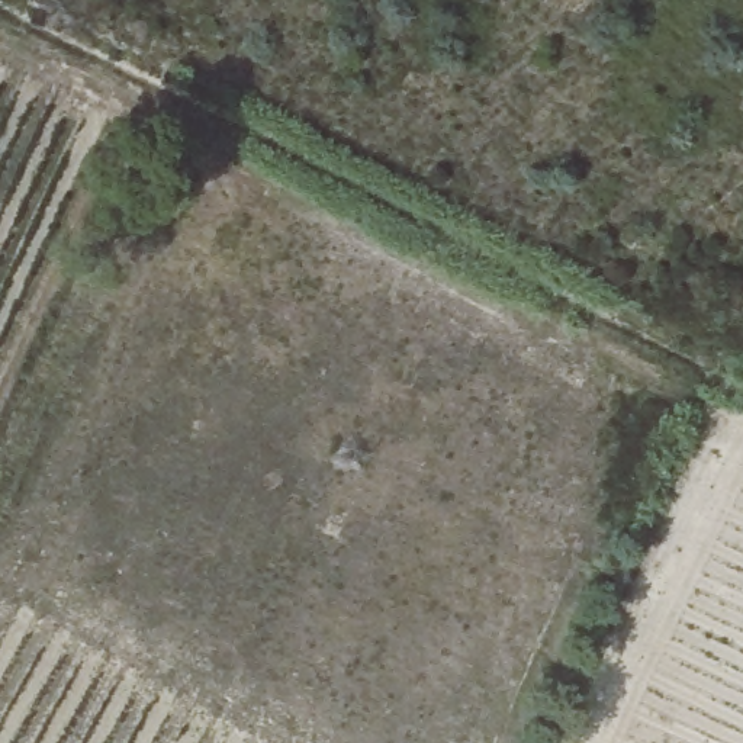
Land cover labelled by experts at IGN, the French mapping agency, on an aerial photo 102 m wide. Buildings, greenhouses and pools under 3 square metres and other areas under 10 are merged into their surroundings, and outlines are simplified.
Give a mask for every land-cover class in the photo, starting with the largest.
<instances>
[{"label":"herbaceous vegetation","instance_id":"1","mask_svg":"<svg viewBox=\"0 0 743 743\"><path fill-rule=\"evenodd\" d=\"M328 0H0V64L6 67L3 81L9 84V90H20L26 64L70 61L81 67L84 84L93 93L122 102V107L128 110L122 116H168L180 119L189 128V165L192 180L197 186V197L189 206L165 212L160 229L145 235L128 226H113V203H102L99 197H93L84 180L78 177L73 189L64 194L49 226V235L44 238L38 258L0 334V647L9 627L17 618V609L29 607L35 612L29 633H35V639L46 647L55 639V633L70 630L73 639H81L104 659H122L128 668L136 670L139 679L163 682L177 697L197 691L200 705H206L215 717L232 720L241 731L261 734L267 743H517V734H528V720L540 717L537 699L546 691V668L554 662H572V621L580 609L583 589L598 572H604V557L580 560V525L589 517H598L607 499V461L598 459L595 447L598 430L615 412L612 395L650 392L670 398L673 406H708L714 412H743V354L720 351L717 357L697 354V360H688L668 348H659V354L647 363L624 345L609 342L598 331L563 322L560 313L537 311L528 302H490L479 287L456 284L441 267H432L424 258L401 255L377 244L354 221L319 209L308 192L273 177L267 168L255 163L238 160V145L250 131L241 122V102H258L284 113L287 119L308 125L316 136L325 139V145L345 148L351 157L380 165L386 174L398 180L421 186L430 194H438L447 206H453V218L461 212L473 215L482 221V229L502 232L514 244L551 250L554 241L575 244L583 232L601 229L607 223L618 226L639 209H653L665 212L662 229H653L650 223H630L621 232V244L639 258L633 282H659V261L665 258L670 238L679 232V223H694L705 232H726L728 241L720 250V261H743V113L723 116L717 128L708 131V151L691 142L688 151H673L662 139L641 136L639 131H633L621 113L607 119L601 116V110H589V104L598 99V87L612 78L607 61L592 55L583 44L589 12L601 0H496V12L505 17L496 23V35L488 38V52H482L473 64H464L461 75L438 73L430 64L412 61L403 52L401 41L383 26H363V46L357 55L363 93L348 96L331 90L340 67L331 61L322 35V17L331 12L325 6ZM522 168L566 171L569 177H575L572 192H525L520 177ZM627 9V20L636 38L653 32L656 0H618ZM589 699H595L607 717L615 714V705L624 694V670L607 662L589 679Z\"/></svg>","mask_w":743,"mask_h":743},{"label":"brushwood","instance_id":"2","mask_svg":"<svg viewBox=\"0 0 743 743\"><path fill-rule=\"evenodd\" d=\"M496 0H328L325 6L331 12L322 17V35L331 61L340 67L331 90L348 96L363 93L357 55L363 46V26H383L401 41L403 52L412 61L430 64L438 73L461 75L464 64H473L482 52H488V38L496 35V23L505 17L496 12ZM653 32L636 38L627 20V9L618 0H601L589 12L583 44L592 55L607 61L612 78L598 87V99L589 104V110H601V116L607 119L621 113L633 131H639L641 136L662 139L673 151H688L691 142L708 151V131L717 128L723 116L743 113V0H656ZM241 122L250 131L238 145V160L255 163L267 168L273 177L308 192L319 209L354 221L377 244L401 255L424 258L432 267H441L456 284L479 287L490 302H528L537 311L560 313L563 322L598 331L609 342L624 345L647 363L659 354V348H668L688 360H697V354L717 357L720 351L743 354V261H720V250L728 241L726 232H705L694 223H679V232L670 238L665 258L659 261V282H633L639 258L621 244V232L630 223H650L653 229H662L665 212L653 209H639L618 226L607 223L601 229L583 232L575 244L554 241L551 250L514 244L502 232L482 229V221L473 215L461 212L453 218V206H447L438 194H430L421 186L398 180L386 174L380 165L351 157L345 148L325 145V139L316 136L308 125L287 119L284 113L258 102H241ZM520 177L525 192H572L575 177H569L566 171L522 168ZM615 412L598 430L595 447L598 459L607 461V499L598 517H589L580 525V560L604 557V572L639 569L644 575V557L653 546H659L668 537L676 488L714 430V412L708 406H673L670 398L650 392L612 395Z\"/></svg>","mask_w":743,"mask_h":743},{"label":"vineyard","instance_id":"3","mask_svg":"<svg viewBox=\"0 0 743 743\"><path fill-rule=\"evenodd\" d=\"M6 67L0 64V334L38 258L44 238L49 235V226L64 194L73 189L78 177L84 157L99 142L104 125L122 116L128 110L122 107V102L93 93L84 84L81 67L70 61L26 64L20 90H9V84L3 81ZM714 430L676 488L668 537L659 546H653L644 557V575L647 595L630 604V641L624 650L607 647V662L624 670V694L615 705V714L607 717L601 720L598 731L583 743H743V412H714ZM35 612L29 607L17 609V618L9 627L0 647V743H267L261 734L241 731L232 720L215 717L206 705H200L197 691L177 697L163 682L139 679L136 670L128 668L122 659H104L81 639H73L70 630L55 633V639L46 647L35 639V633H29Z\"/></svg>","mask_w":743,"mask_h":743},{"label":"coniferous trees","instance_id":"4","mask_svg":"<svg viewBox=\"0 0 743 743\"><path fill-rule=\"evenodd\" d=\"M189 128L180 119L168 116H122L104 125L99 142L84 157L78 177L84 180L93 197H99L102 203H113V226H128L145 235L160 229L165 212L189 206L197 197V186L192 180L189 165ZM647 595L644 575L639 569L604 572H598L583 589L580 609L572 621V662H554L546 668V691L537 699L540 717L528 720V734H517V743H583L598 731L601 720L607 717L595 699H589V679L607 662V647L624 650L630 641V604Z\"/></svg>","mask_w":743,"mask_h":743}]
</instances>
